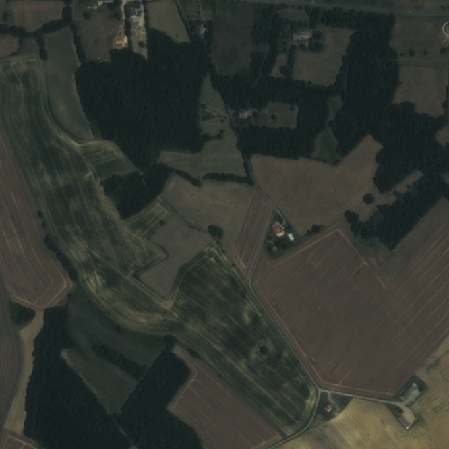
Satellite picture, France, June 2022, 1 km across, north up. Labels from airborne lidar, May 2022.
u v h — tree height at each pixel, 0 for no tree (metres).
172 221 0
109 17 0
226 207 0
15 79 0
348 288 0
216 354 0
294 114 0
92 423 14
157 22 0
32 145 0
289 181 0
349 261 0
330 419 0
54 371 22
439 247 0
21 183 0
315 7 10
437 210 0
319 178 0
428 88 0
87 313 0
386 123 14
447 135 0
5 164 0
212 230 16
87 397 24
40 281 0
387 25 17
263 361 0
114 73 17
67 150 0
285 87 14
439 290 0
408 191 8
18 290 0
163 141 15
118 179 14
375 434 0
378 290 0
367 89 16
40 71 0
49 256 0
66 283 0
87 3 0
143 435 17
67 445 10
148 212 0
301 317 0
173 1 0
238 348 0
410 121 15
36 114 0
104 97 19
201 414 0
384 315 0
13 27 14
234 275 0
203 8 0
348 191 0
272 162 0
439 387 0
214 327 0
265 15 10
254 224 0
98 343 0
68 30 0
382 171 18
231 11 0
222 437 0
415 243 0
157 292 0
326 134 0
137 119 18
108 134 14
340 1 0
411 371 0
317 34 12
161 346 0
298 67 0
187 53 18
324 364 0
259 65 11
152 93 18
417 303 0
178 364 18
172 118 19
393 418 0
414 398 0
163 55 12
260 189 0
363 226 26
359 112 18
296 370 0
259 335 0
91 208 0
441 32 0
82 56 17
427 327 0
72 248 0
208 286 0
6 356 0
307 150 18
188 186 0
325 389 0
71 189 0
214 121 0
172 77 19
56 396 26
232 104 14
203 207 0
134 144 13
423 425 0
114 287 0
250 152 13
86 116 7
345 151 14
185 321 0
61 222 0
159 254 0
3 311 0
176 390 14
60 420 12
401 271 0
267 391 0
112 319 0
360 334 0
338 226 0
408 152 19
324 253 0
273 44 11
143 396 19
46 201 0
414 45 0
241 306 0
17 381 0
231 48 0
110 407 0
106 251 0
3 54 0
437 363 0
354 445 0
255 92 18
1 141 0
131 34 12
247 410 0
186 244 0
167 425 16
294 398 0
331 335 0
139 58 19
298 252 0
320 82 0
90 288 0
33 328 0
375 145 0
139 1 7
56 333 22
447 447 0
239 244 0
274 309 0
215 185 0
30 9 0
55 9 0
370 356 0
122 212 9
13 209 0
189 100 21
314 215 0
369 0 0
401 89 0
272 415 0
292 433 0
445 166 19
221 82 16
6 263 0
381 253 0
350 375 0
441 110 0
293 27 14
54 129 0
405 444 0
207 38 9
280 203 0
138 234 0
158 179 10
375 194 0
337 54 0
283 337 0
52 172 0
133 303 0
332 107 0
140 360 0
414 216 17
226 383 0
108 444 13
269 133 19
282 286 0
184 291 0
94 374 0
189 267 0
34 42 0
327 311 0
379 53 10
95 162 0
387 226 16
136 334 0
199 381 0
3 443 0
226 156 0
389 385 0
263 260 0
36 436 7
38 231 0
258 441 0
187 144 19
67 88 0
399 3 0
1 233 0
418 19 0
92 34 0
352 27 6
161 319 0
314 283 0
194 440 17
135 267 0
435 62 0
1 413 0
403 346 0
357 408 0
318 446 0
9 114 0
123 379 0
